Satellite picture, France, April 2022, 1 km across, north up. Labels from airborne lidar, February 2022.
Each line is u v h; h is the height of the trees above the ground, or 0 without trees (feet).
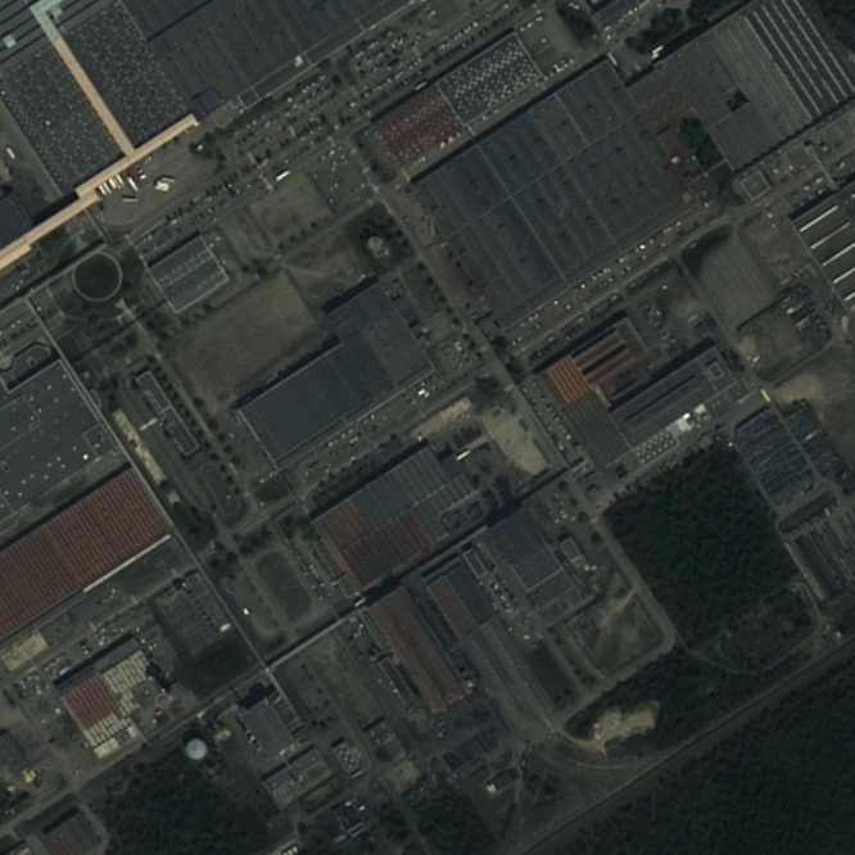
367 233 23
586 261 0
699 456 32
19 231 0
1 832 0
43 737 0
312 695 0
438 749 0
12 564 0
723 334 0
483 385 28
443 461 0
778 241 0
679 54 0
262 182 0
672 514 42
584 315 0
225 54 46
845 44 29
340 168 0
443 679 0
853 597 0
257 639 0
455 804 39
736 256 0
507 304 0
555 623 0
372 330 0
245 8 40
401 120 0
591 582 0
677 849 35
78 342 0
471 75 0
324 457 0
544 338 0
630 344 0
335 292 0
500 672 0
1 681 0
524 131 0
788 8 0
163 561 0
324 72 45
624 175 0
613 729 0
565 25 0
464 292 0
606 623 0
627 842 37
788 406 0
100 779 0
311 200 0
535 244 0
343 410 0
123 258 0
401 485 0
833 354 0
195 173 0
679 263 0
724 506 42
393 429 0
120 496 0
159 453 0
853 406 0
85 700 0
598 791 0
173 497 0
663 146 0
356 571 0
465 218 0
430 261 0
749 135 0
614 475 0
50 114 0
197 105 0
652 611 0
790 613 19
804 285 0
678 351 0
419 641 0
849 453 0
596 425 0
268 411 0
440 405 0
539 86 0
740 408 0
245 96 0
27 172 0
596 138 0
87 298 0
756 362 0
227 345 0
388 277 0
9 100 0
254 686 0
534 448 0
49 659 0
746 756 31
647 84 0
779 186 0
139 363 0
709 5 48
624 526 43
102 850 0
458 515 0
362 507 0
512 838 0
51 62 0
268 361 0
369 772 0
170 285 0
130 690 0
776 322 0
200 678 0
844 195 0
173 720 0
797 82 0
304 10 35
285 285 0
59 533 0
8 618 0
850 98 0
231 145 0
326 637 0
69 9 33
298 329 0
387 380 0
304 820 0
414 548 0
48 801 0
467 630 0
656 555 40
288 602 0
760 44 0
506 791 0
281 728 0
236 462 39
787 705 30
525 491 0
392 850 0
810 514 0
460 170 0
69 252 0
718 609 37
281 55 39
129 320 0
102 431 0
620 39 0
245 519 0
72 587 0
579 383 0
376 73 0
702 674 28
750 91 0
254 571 0
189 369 0
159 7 39
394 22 0
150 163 0
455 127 0
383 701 0
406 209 0
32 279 0
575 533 0
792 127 0
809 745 22
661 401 0
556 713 0
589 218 0
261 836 17
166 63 37
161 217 0
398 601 0
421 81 0
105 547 0
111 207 0
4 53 0
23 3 31
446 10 0
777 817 29
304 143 0
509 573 0
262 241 0
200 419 0
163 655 0
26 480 0
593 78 0
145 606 0
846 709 37
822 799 24
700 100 0
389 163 0
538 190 0
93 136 0
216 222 0
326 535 0
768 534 25
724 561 46
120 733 0
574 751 0
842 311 0
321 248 0
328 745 0
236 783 0
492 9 0
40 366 0
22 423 0
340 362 0
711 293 0
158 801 38
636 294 33
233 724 0
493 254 0
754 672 27
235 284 0
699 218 0
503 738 0
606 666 0
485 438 0
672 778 39
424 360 0
